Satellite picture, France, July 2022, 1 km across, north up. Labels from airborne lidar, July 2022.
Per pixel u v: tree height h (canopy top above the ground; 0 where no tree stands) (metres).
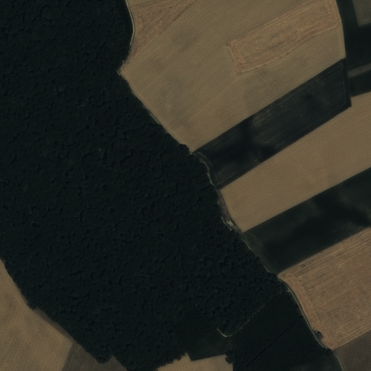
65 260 28
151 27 0
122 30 27
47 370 0
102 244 29
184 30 0
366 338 0
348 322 0
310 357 16
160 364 28
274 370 14
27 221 31
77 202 31
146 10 0
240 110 0
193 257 28
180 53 0
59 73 30
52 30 30
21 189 32
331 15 0
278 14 0
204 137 0
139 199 32
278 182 0
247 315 27
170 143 22
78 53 28
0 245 20
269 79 0
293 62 0
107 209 29
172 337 25
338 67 0
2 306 0
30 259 17
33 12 29
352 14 0
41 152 34
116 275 26
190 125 0
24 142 31
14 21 32
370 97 0
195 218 26
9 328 0
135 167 23
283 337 14
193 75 0
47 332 0
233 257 29
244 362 10
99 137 31
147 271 26
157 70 0
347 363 0
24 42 27
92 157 30
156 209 29
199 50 0
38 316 0
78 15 31
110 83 22
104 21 28
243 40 0
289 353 14
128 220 30
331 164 0
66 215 28
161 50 0
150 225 29
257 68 0
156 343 27
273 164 0
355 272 0
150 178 30
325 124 0
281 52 0
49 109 21
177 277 27
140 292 31
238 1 0
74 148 28
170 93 0
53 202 32
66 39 27
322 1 0
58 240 29
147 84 0
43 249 26
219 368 0
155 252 29
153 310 23
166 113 0
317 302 0
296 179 0
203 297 22
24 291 22
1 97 29
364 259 0
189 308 24
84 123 26
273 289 27
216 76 0
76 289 30
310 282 0
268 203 0
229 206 0
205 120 0
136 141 29
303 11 0
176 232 31
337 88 0
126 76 0
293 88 0
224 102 0
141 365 26
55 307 27
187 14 0
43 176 31
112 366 0
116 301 28
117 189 29
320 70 0
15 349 0
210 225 31
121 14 9
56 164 30
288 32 0
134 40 0
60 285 27
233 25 0
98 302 32
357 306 0
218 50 0
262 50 0
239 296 29
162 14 0
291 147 0
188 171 25
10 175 32
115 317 30
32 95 24
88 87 24
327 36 0
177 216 24
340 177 0
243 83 0
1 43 31
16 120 29
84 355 0
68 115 30
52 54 28
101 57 27
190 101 0
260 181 0
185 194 27
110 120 27
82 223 29
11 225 27
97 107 29
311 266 0
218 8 0
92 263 28
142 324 28
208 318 22
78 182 28
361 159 0
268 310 7
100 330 31
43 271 23
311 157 0
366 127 0
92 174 27
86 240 30
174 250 30
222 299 27
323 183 0
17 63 23
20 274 29
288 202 0
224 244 30
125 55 24
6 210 32
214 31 0
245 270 26
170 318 27
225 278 30
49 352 0
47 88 27
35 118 29
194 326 13
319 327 0
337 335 0
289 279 0
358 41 0
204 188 19
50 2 25
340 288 0
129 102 23
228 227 22
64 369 0
